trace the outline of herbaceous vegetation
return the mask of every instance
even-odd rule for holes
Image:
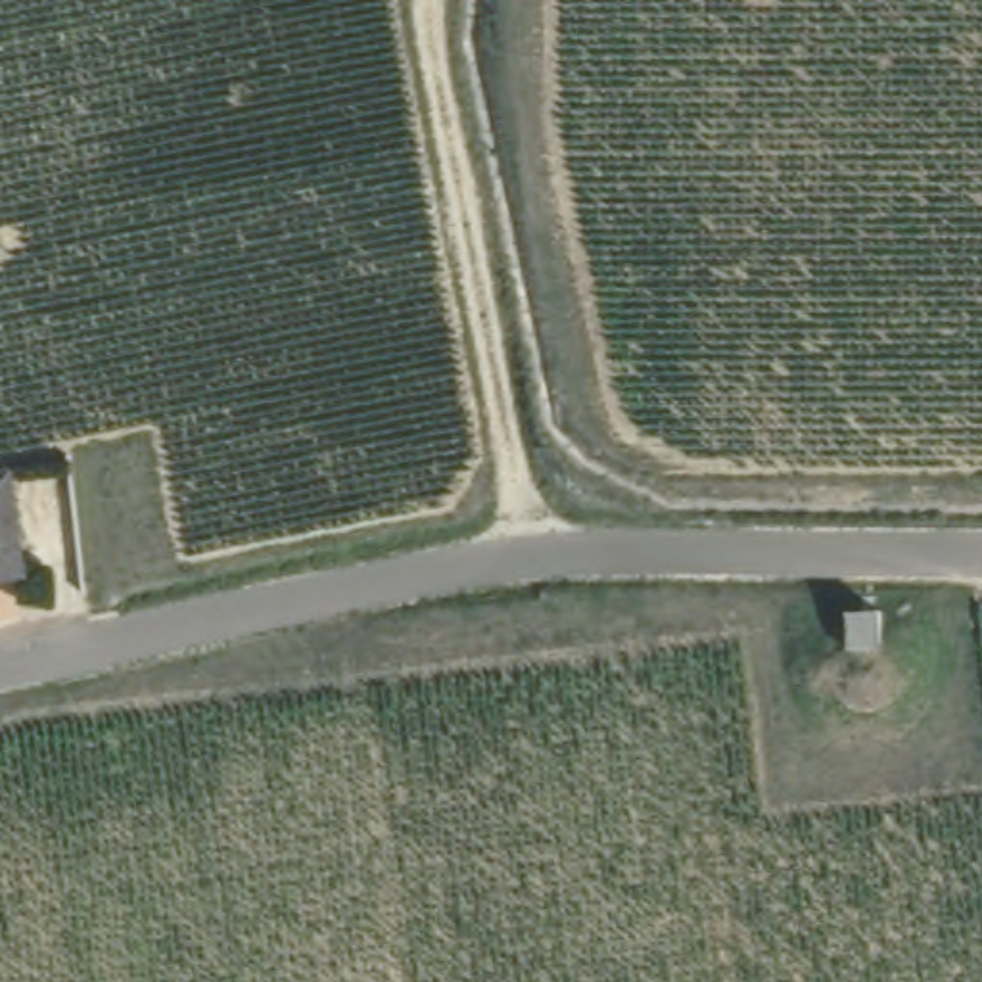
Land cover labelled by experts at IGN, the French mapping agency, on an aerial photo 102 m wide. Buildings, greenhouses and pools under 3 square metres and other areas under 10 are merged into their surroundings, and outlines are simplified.
[[[407,606],[349,610],[326,621],[257,629],[211,652],[176,660],[138,660],[115,671],[0,694],[0,729],[69,713],[88,717],[107,710],[153,710],[203,698],[222,702],[238,694],[357,687],[372,679],[426,679],[445,675],[445,660],[453,656],[526,652],[583,641],[644,637],[644,648],[660,652],[660,633],[690,633],[694,644],[740,644],[756,798],[767,817],[894,802],[921,806],[924,798],[944,794],[982,794],[982,725],[970,717],[974,675],[967,614],[967,602],[978,591],[959,583],[537,579],[526,587],[479,587],[418,598]],[[848,614],[882,614],[882,644],[875,652],[859,656],[848,648]]]
[[[115,430],[88,430],[69,437],[58,433],[54,449],[65,456],[65,476],[54,479],[65,575],[77,591],[88,595],[88,606],[96,614],[119,614],[127,595],[180,583],[184,564],[176,564],[176,552],[184,552],[188,545],[180,533],[165,433],[157,422],[127,422]]]
[[[606,464],[587,456],[560,430],[529,311],[529,288],[537,284],[537,272],[526,222],[526,184],[518,165],[518,127],[506,96],[506,38],[499,12],[503,0],[445,0],[449,77],[483,215],[483,242],[495,280],[526,464],[549,510],[568,522],[625,529],[702,529],[702,522],[733,526],[733,510],[656,510],[648,499],[610,487],[602,479]]]

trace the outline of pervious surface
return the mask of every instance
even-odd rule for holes
[[[8,591],[0,591],[0,629],[31,625],[38,618],[38,606],[15,602],[15,595]]]
[[[495,280],[483,242],[483,215],[449,77],[445,0],[414,0],[414,38],[445,176],[449,234],[460,261],[499,468],[499,510],[483,533],[495,541],[541,537],[564,533],[568,522],[549,510],[526,464]]]
[[[15,503],[27,549],[35,556],[54,575],[50,606],[65,618],[88,606],[88,595],[77,591],[65,575],[54,479],[23,479],[15,487]]]

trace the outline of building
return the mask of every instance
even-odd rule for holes
[[[15,487],[23,479],[0,479],[0,591],[8,591],[15,579],[23,579],[23,564],[35,556],[27,549],[15,503]]]
[[[848,614],[848,648],[859,656],[875,652],[882,644],[882,614]]]

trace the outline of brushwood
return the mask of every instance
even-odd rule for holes
[[[35,556],[23,564],[23,579],[15,579],[8,591],[15,595],[15,602],[38,606],[50,606],[54,575]]]
[[[982,514],[733,510],[733,526],[982,526]]]
[[[54,449],[0,456],[0,479],[23,479],[54,479],[65,476],[65,456]]]

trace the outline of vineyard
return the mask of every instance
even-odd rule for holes
[[[967,614],[974,675],[970,717],[982,725],[982,572],[963,572],[959,583],[978,591],[967,602]]]
[[[88,717],[69,713],[0,729],[0,982],[982,982],[982,794],[944,794],[924,798],[921,806],[894,802],[767,817],[756,798],[740,644],[694,644],[690,633],[660,633],[660,652],[644,648],[644,637],[583,641],[526,652],[453,656],[445,660],[445,675],[426,679],[372,679],[357,687],[238,694],[222,702],[203,698],[153,710],[107,710]]]
[[[499,468],[460,261],[449,234],[445,176],[414,38],[414,0],[0,0],[0,456],[54,449],[58,433],[69,437],[88,430],[115,430],[127,422],[157,422],[165,433],[180,533],[188,545],[184,552],[176,552],[176,564],[184,564],[180,583],[127,595],[119,614],[234,591],[257,579],[384,560],[395,552],[414,552],[483,533],[499,510]]]
[[[733,510],[982,514],[982,0],[503,0],[499,12],[506,38],[506,96],[518,127],[518,165],[526,184],[526,222],[537,272],[537,284],[529,288],[529,311],[560,430],[587,456],[606,464],[602,479],[610,487],[648,499],[656,510]]]

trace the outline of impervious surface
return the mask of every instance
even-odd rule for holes
[[[733,526],[702,522],[702,529],[625,529],[568,522],[564,533],[541,537],[495,541],[483,533],[414,552],[395,552],[384,560],[257,579],[234,591],[119,614],[96,614],[88,606],[65,618],[50,606],[38,606],[38,618],[31,625],[0,629],[0,694],[115,671],[138,660],[176,660],[211,652],[257,629],[326,621],[349,610],[407,606],[418,598],[479,587],[526,587],[537,579],[959,583],[963,572],[982,572],[982,526]]]

